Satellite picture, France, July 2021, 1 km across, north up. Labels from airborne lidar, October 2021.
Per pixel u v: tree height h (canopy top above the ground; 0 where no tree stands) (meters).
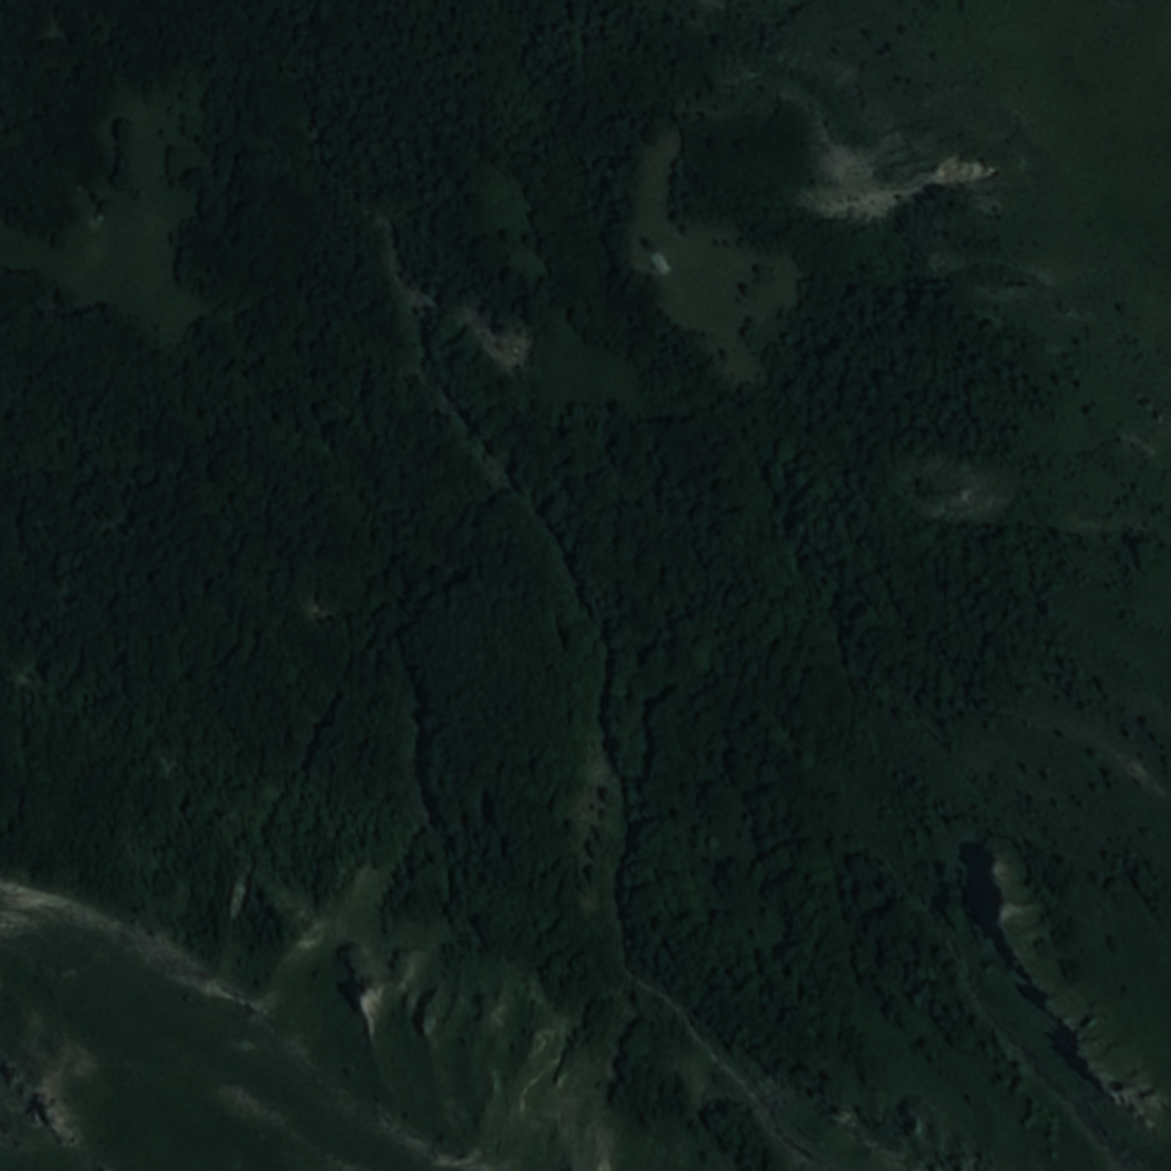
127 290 0
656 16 7
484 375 23
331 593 30
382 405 24
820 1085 13
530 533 28
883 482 9
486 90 16
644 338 21
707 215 16
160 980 0
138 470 7
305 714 28
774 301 0
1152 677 0
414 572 16
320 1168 0
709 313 0
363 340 10
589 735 17
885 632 22
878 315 15
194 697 25
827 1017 21
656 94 9
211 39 24
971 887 7
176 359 13
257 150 11
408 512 9
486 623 26
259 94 27
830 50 0
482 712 25
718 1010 16
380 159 20
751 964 18
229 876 8
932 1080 0
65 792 13
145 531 25
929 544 23
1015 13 0
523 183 12
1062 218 0
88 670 25
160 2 26
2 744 19
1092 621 0
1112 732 0
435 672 29
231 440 21
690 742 15
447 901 20
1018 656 12
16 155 23
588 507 14
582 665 28
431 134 17
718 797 23
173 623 23
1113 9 0
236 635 28
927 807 8
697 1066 0
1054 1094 0
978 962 0
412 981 0
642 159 16
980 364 19
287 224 27
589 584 29
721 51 16
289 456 23
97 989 0
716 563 20
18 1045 0
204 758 19
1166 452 0
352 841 14
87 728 12
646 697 20
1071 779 0
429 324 14
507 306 14
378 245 10
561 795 26
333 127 17
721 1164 0
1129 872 9
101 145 25
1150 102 0
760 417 10
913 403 18
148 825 11
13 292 29
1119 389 0
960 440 8
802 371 13
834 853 10
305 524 18
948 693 13
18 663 16
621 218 21
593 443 8
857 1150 0
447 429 24
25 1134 0
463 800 28
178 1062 0
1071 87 0
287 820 12
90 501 22
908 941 12
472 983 0
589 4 13
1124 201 0
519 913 19
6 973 0
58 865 8
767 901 11
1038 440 0
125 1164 0
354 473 19
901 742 0
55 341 33
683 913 21
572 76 11
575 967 24
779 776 19
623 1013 16
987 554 16
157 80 23
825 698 28
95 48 8
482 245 17
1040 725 0
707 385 8
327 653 36
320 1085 0
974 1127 0
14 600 28
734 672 21
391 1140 0
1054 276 0
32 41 21
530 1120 0
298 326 29
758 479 13
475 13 15
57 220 20
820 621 10
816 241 8
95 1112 0
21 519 14
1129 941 0
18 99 28
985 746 0
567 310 13
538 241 9
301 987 0
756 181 7
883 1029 0
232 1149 0
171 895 8
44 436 14
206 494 14
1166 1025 0
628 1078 25
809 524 20
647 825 12
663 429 21
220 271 21
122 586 28
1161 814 0
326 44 18
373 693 30
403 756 27
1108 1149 0
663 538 20
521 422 27
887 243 7
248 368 17
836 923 22
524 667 27
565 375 0
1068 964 14
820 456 18
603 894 8
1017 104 0
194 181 19
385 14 18
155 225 0
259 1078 0
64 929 0
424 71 20
